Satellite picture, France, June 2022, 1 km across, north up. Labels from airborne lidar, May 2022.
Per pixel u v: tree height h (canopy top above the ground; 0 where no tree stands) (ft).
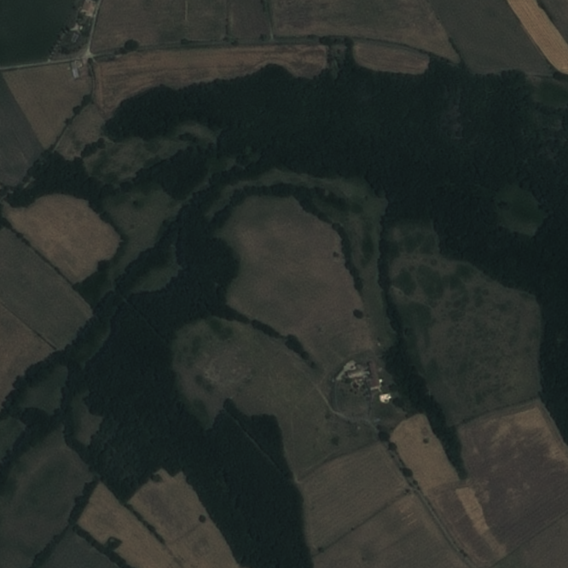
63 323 0
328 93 55
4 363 0
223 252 88
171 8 0
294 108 44
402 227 0
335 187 0
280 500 65
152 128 66
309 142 81
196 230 87
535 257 54
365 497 0
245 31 0
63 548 0
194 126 0
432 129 48
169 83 0
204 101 61
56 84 0
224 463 83
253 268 0
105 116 0
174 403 82
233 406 43
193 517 0
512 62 0
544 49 0
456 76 44
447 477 0
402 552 0
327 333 0
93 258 0
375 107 31
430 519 0
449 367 0
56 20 0
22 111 0
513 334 0
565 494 0
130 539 0
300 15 0
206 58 0
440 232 44
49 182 57
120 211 0
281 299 0
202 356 0
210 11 0
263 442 53
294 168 58
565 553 0
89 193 64
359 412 0
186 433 70
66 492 0
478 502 0
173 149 0
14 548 0
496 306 0
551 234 76
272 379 0
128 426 37
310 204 66
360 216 0
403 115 39
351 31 0
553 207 74
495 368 0
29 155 0
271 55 0
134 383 70
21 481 0
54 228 0
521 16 0
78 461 0
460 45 0
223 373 0
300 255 0
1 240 0
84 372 70
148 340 85
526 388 0
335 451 0
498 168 69
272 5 0
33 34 0
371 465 0
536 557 0
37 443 58
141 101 46
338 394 0
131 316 81
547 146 44
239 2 0
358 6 0
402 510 0
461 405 0
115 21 0
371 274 0
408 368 55
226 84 49
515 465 0
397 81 23
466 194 26
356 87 28
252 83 46
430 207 83
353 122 51
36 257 0
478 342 0
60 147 0
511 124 65
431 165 56
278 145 68
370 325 0
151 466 51
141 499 0
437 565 0
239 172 69
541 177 67
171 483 0
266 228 0
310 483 0
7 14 0
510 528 0
